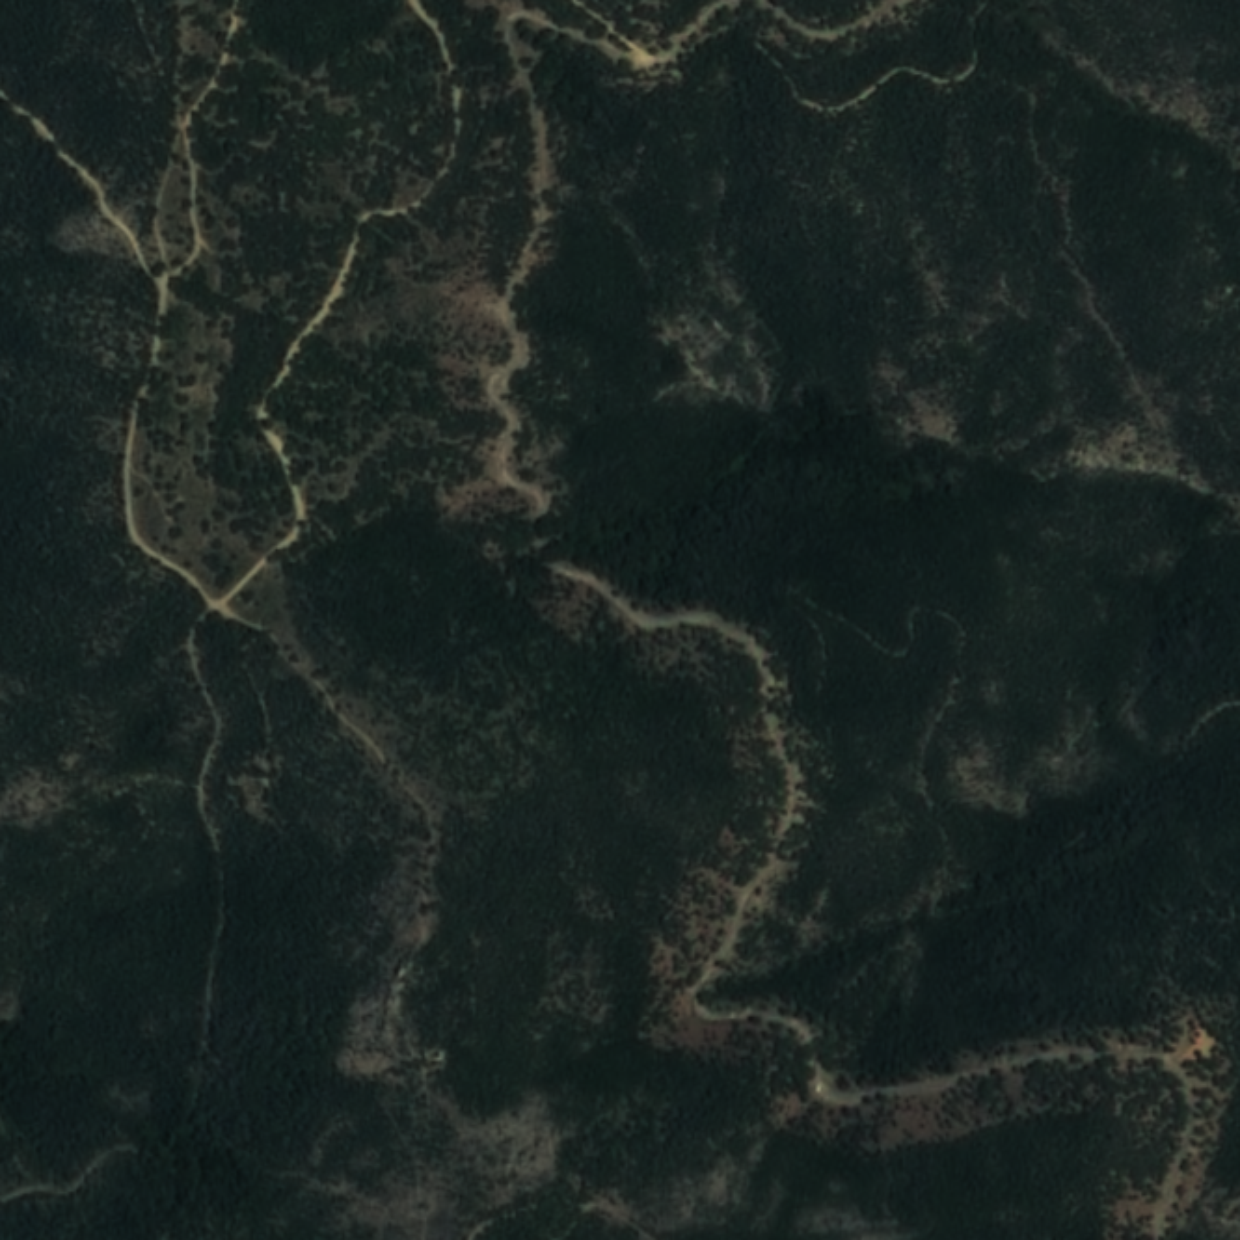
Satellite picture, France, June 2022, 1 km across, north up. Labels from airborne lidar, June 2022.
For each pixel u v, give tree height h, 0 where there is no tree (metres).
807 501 9
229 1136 14
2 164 7
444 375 6
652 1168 6
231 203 6
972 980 8
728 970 8
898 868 7
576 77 8
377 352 8
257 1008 11
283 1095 9
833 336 6
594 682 8
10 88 8
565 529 13
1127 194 8
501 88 7
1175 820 8
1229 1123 7
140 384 9
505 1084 9
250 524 9
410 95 8
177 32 8
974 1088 9
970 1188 7
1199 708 9
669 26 9
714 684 8
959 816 8
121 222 0
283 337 10
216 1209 7
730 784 8
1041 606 6
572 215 6
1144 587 6
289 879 6
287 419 7
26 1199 8
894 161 6
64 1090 6
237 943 8
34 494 9
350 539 10
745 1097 9
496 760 6
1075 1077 11
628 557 12
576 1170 8
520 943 13
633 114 8
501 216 9
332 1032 7
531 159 9
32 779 0
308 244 9
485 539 9
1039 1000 14
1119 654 6
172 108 7
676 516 9
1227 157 6
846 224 8
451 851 9
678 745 8
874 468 7
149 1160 8
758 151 7
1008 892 16
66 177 8
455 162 11
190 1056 6
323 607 8
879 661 7
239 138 9
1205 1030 7
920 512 7
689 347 0
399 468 7
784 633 9
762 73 7
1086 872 6
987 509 5
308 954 8
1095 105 5
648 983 6
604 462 6
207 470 9
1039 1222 6
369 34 8
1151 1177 11
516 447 6
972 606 7
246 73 11
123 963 8
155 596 8
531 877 9
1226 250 6
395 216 7
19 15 8
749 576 6
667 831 9
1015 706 7
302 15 8
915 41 7
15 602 7
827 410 14
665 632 9
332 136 7
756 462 7
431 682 8
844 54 8
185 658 8
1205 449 6
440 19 7
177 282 8
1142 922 6
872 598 6
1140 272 7
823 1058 12
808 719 9
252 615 0
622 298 8
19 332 8
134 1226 5
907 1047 10
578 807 9
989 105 7
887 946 13
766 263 13
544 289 12
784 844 9
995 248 6
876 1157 7
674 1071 5
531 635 7
